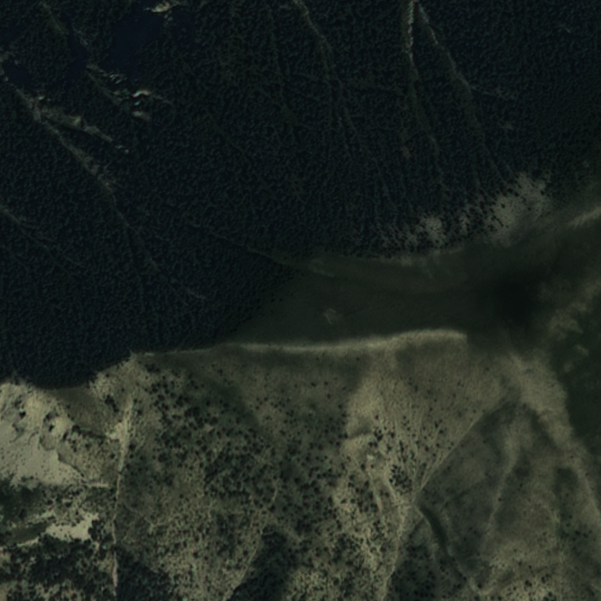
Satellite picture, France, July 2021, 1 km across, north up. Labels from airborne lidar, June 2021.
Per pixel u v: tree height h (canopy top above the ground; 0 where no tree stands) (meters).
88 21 13
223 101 24
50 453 0
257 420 0
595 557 0
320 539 0
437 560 0
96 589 7
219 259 22
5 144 19
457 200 12
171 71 19
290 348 0
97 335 17
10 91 10
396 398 0
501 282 0
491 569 0
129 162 12
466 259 0
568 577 0
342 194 14
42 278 16
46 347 19
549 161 9
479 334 0
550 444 0
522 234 0
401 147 10
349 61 8
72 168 11
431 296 0
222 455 7
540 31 25
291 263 0
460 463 0
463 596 0
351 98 14
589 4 10
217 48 7
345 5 20
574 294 0
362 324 0
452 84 15
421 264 0
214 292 17
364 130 13
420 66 13
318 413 0
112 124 15
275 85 11
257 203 25
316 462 0
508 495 0
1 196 9
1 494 0
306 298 0
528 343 0
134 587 6
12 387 0
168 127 13
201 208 15
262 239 11
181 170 10
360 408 0
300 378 0
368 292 0
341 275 0
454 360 0
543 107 20
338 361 0
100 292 16
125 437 0
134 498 0
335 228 16
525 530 0
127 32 10
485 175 15
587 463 0
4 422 0
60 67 22
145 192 16
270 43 22
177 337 14
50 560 10
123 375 0
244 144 9
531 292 0
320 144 11
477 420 0
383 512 0
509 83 7
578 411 0
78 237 28
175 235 14
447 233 7
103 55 20
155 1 14
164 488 0
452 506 0
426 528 0
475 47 9
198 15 16
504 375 0
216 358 0
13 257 18
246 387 0
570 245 0
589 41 13
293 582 0
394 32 17
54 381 9
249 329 0
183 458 6
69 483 0
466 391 0
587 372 0
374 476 0
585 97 20
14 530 0
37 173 21
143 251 6
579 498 0
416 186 19
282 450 0
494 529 0
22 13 11
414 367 0
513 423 0
